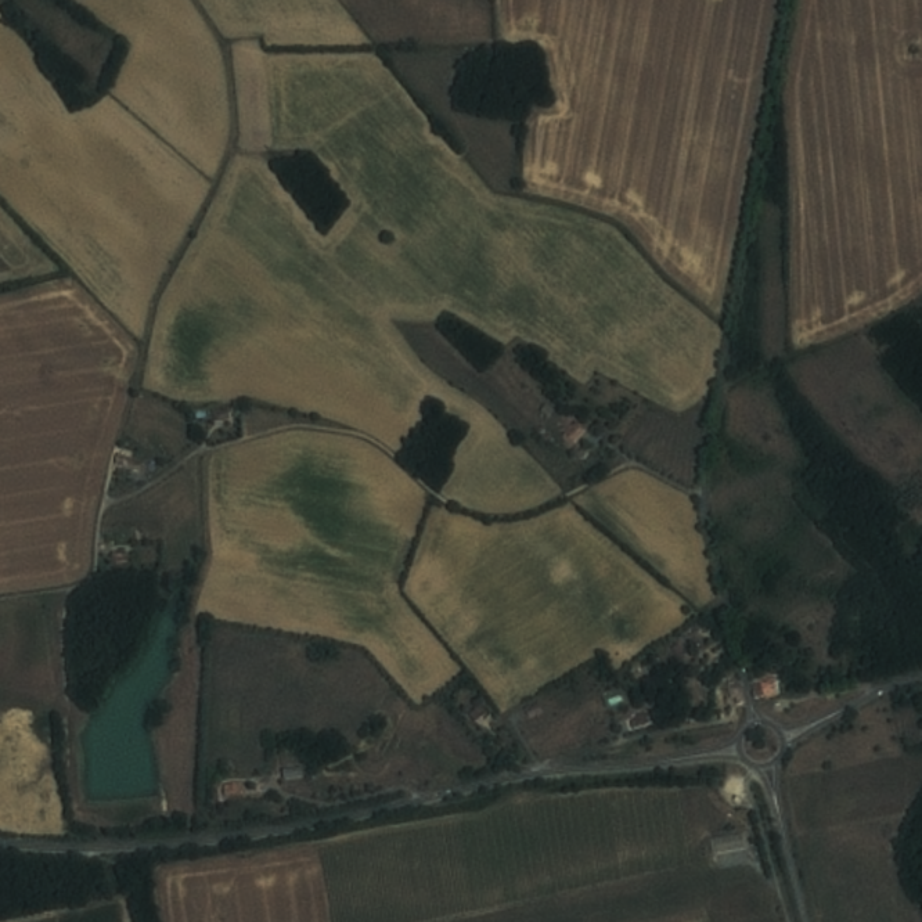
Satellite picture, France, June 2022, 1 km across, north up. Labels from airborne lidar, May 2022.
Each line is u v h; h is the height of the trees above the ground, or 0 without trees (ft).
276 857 0
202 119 0
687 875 0
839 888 0
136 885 75
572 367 0
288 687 0
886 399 0
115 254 0
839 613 22
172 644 43
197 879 0
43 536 0
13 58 0
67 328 0
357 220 0
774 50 50
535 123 0
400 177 0
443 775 0
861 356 0
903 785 0
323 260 0
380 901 0
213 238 0
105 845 0
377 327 0
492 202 0
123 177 0
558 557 0
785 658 76
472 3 0
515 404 0
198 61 0
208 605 0
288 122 0
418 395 0
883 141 0
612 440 34
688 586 0
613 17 0
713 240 0
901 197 0
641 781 38
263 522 0
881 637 41
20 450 0
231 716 0
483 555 0
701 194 0
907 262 0
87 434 0
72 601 45
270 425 0
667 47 0
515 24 0
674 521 0
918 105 0
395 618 0
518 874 0
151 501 0
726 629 86
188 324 0
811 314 0
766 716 0
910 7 0
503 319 0
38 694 0
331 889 0
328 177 43
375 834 0
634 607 0
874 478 47
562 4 0
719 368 45
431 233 0
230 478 0
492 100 67
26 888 50
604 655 31
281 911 0
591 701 0
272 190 0
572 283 0
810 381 0
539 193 0
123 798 0
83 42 0
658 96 0
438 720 0
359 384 0
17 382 0
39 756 0
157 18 0
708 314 0
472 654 0
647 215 0
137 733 0
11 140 0
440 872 0
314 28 0
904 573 56
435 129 37
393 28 0
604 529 21
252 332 0
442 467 36
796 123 0
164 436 0
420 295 0
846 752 0
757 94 0
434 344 0
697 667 40
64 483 0
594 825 0
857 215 0
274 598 0
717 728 0
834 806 0
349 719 0
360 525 0
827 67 0
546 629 0
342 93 0
